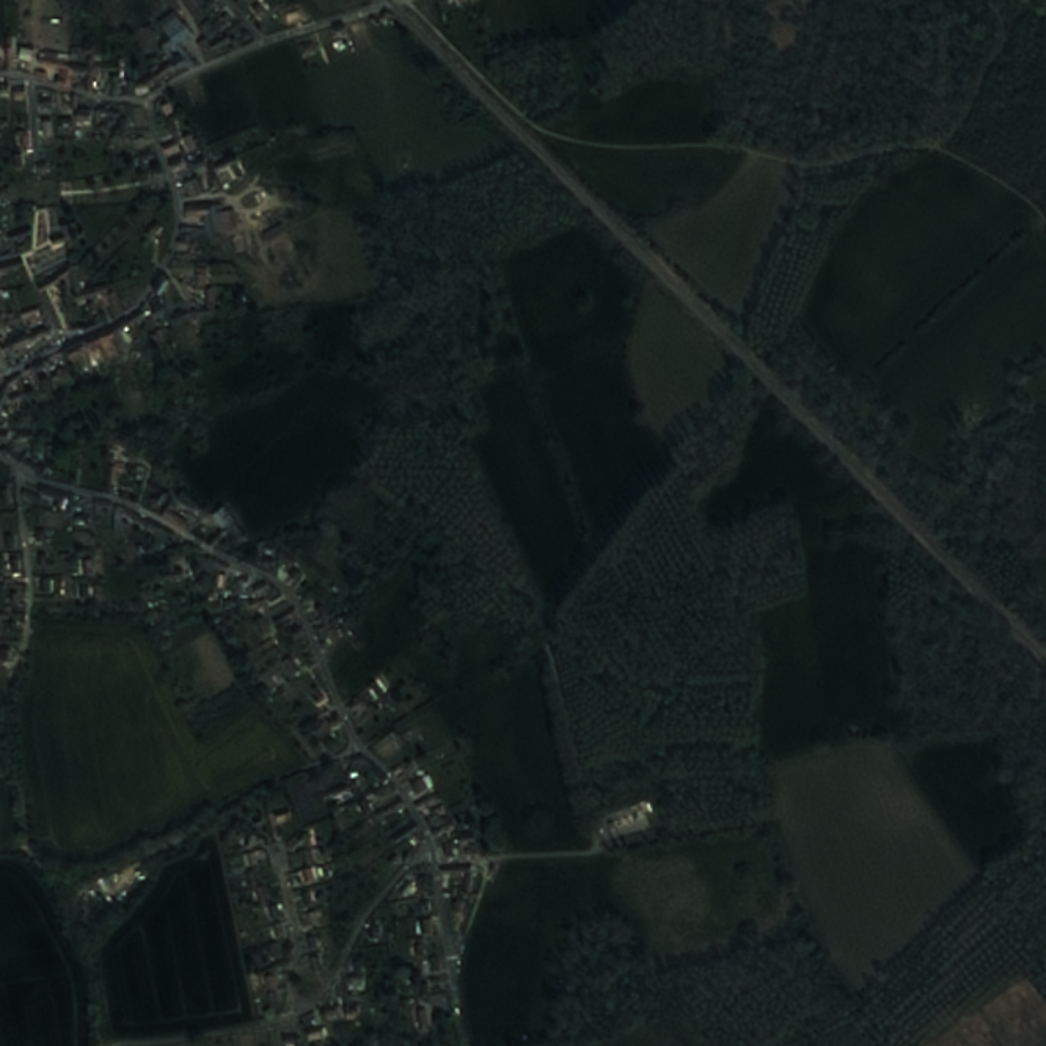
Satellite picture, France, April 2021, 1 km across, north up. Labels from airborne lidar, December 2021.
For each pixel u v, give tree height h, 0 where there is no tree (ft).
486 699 0
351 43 0
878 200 0
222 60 0
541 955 0
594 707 95
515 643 43
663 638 128
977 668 77
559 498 0
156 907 0
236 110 0
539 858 0
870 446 85
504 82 41
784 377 89
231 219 0
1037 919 88
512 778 0
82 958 49
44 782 0
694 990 94
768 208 0
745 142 58
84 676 0
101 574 0
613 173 0
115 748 0
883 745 49
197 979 0
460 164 0
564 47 54
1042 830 59
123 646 0
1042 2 76
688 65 100
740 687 62
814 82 35
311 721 22
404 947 0
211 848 0
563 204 61
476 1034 0
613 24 108
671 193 0
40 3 0
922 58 100
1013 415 29
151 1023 0
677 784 72
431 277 94
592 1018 104
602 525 0
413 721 0
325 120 0
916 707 28
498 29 0
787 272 68
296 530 33
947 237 0
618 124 0
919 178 0
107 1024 19
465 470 106
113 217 0
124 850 34
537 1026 0
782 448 0
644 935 0
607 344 0
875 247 0
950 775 0
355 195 0
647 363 0
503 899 0
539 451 0
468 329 55
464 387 113
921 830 0
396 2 0
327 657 0
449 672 93
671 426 0
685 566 128
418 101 0
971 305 0
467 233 73
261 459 0
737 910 0
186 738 0
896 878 0
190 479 0
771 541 100
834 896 0
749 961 73
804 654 0
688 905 0
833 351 0
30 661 21
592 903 0
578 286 0
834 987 69
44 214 0
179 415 56
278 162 0
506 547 105
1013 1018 0
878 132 98
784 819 0
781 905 0
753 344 61
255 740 0
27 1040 0
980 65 34
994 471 110
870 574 0
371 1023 0
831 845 0
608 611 129
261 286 0
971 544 19
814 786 0
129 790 0
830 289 0
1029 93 19
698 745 54
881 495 0
